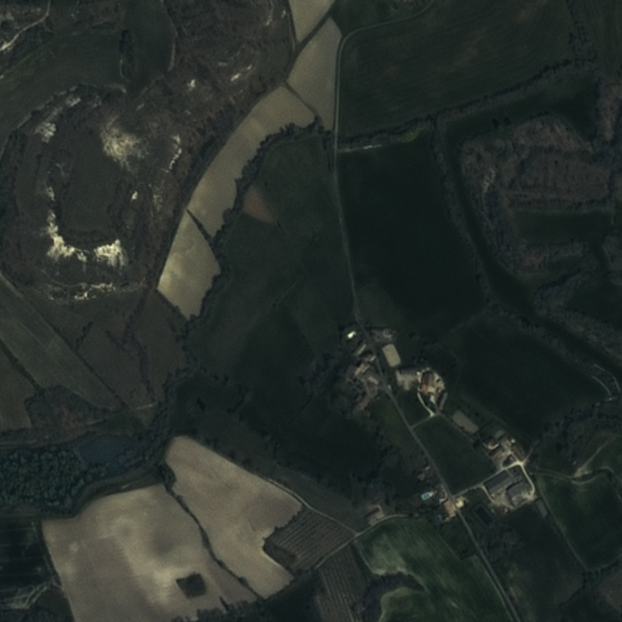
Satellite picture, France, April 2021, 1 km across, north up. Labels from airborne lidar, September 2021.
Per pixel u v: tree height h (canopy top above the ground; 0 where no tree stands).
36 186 0
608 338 12
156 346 0
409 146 0
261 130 0
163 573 0
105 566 0
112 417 12
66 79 0
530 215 0
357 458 0
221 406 0
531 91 8
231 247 0
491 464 7
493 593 0
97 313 0
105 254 0
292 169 0
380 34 0
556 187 6
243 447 0
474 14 0
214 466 0
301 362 0
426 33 0
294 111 0
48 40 11
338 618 0
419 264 0
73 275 0
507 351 0
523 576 0
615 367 0
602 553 0
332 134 7
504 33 0
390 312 0
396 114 0
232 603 0
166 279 0
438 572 0
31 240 0
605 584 9
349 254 0
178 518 0
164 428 7
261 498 0
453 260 0
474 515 0
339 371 15
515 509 0
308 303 0
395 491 14
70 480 17
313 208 0
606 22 0
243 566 0
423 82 0
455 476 0
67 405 13
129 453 8
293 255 0
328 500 0
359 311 0
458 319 0
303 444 0
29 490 17
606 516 0
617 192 14
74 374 0
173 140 0
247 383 0
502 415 0
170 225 11
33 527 0
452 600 0
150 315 0
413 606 0
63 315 0
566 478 0
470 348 0
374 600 12
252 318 0
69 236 7
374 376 0
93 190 0
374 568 0
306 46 0
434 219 0
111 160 0
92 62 0
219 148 18
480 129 0
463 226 6
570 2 8
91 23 9
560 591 0
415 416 0
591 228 0
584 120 0
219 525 0
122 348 17
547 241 0
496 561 6
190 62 8
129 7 0
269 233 0
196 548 0
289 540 0
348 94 0
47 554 0
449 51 0
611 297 0
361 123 0
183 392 0
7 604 0
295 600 0
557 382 0
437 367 0
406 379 0
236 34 9
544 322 0
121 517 0
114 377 0
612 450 0
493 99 6
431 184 0
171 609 0
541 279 0
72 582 0
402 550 0
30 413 14
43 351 0
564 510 0
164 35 0
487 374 0
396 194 0
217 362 0
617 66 0
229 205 0
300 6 0
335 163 0
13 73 0
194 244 0
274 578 0
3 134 0
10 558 0
